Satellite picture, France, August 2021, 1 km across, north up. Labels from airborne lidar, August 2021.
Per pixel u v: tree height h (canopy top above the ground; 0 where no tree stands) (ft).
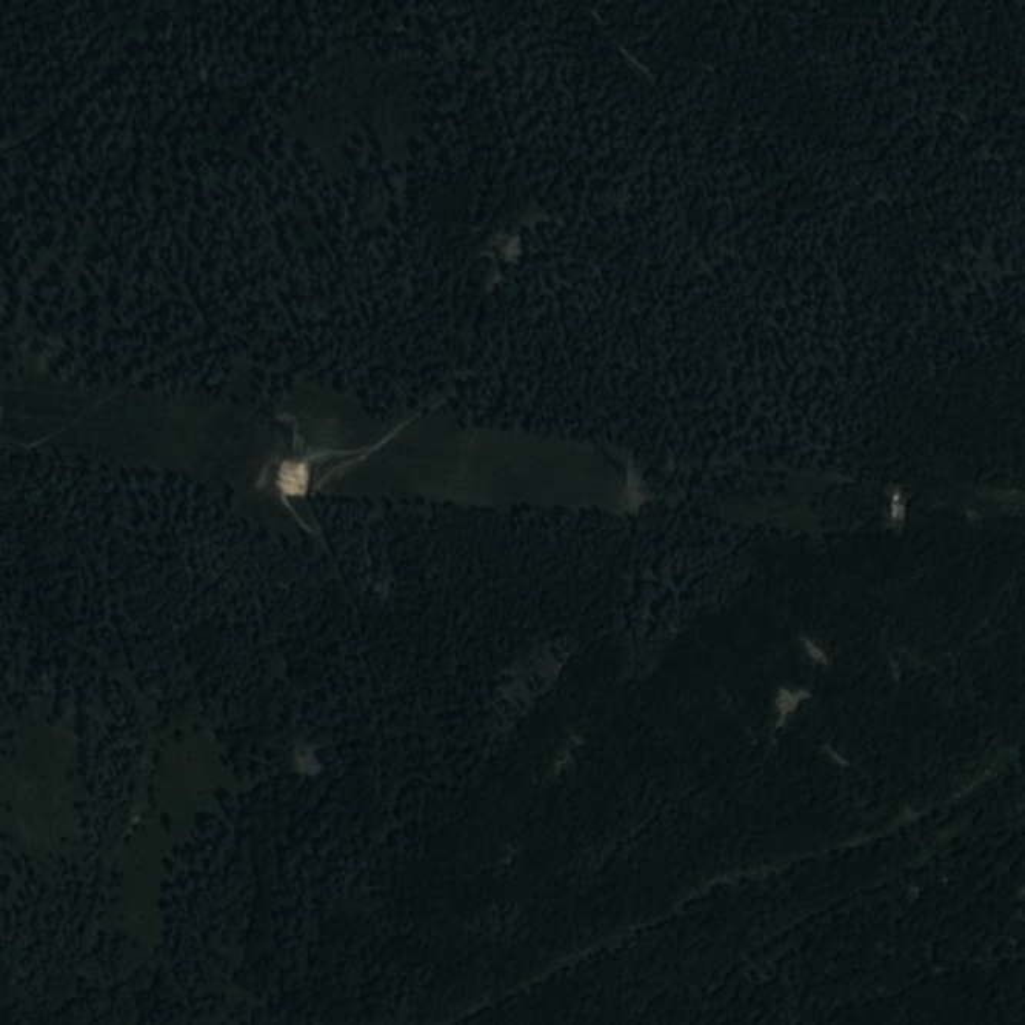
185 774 0
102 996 64
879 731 69
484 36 63
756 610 56
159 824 0
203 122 55
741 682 49
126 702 67
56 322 71
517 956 51
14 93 77
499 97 79
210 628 61
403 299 79
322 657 58
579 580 33
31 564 72
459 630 50
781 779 72
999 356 55
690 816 73
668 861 72
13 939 45
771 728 37
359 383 55
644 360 66
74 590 59
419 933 65
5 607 98
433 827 57
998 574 58
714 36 49
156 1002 29
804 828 56
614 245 63
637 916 75
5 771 0
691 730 47
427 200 63
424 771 36
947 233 45
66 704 81
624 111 97
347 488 0
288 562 65
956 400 52
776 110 49
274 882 64
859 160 85
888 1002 66
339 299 88
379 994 62
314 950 60
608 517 46
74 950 61
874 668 72
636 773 65
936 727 74
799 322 43
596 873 45
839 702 70
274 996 31
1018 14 51
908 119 84
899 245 42
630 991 66
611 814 73
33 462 34
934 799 58
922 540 51
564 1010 61
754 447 88
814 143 56
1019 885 69
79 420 0
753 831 45
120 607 55
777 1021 76
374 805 59
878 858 78
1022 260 72
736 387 66
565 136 78
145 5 97
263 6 87
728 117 55
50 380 0
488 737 67
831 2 60
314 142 0
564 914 60
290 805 60
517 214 62
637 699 56
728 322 79
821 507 37
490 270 65
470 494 0
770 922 62
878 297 37
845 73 71
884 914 47
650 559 44
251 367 0
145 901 0
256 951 47
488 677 49
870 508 27
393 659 54
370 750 62
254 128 55
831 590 42
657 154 89
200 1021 45
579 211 62
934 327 30
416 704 56
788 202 55
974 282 79
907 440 46
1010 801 74
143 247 97
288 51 51
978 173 43
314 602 72
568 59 69
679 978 82
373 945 41
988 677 70
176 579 61
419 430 0
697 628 52
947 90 52
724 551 66
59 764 0
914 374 50
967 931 73
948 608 53
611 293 63
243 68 71
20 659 64
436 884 57
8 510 48
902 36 90
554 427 69
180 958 50
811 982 68
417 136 0
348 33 41
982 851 64
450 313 72
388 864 33
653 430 41
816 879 68
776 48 54
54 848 0
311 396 0
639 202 79
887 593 59
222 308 67
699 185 79
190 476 0
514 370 52
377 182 52
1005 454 30
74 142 94
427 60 90
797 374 86
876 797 46
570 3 31
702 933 64
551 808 54
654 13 50
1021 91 62
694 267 82
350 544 79
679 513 31
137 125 48
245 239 88
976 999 92
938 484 52
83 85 78
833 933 53
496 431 77
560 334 65
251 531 60
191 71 76
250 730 69
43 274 0
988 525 51
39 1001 42
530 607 38
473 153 58
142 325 59
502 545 41
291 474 0
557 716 43
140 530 58
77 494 48
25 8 57
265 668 43
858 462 51
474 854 30
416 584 54
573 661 35
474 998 50
